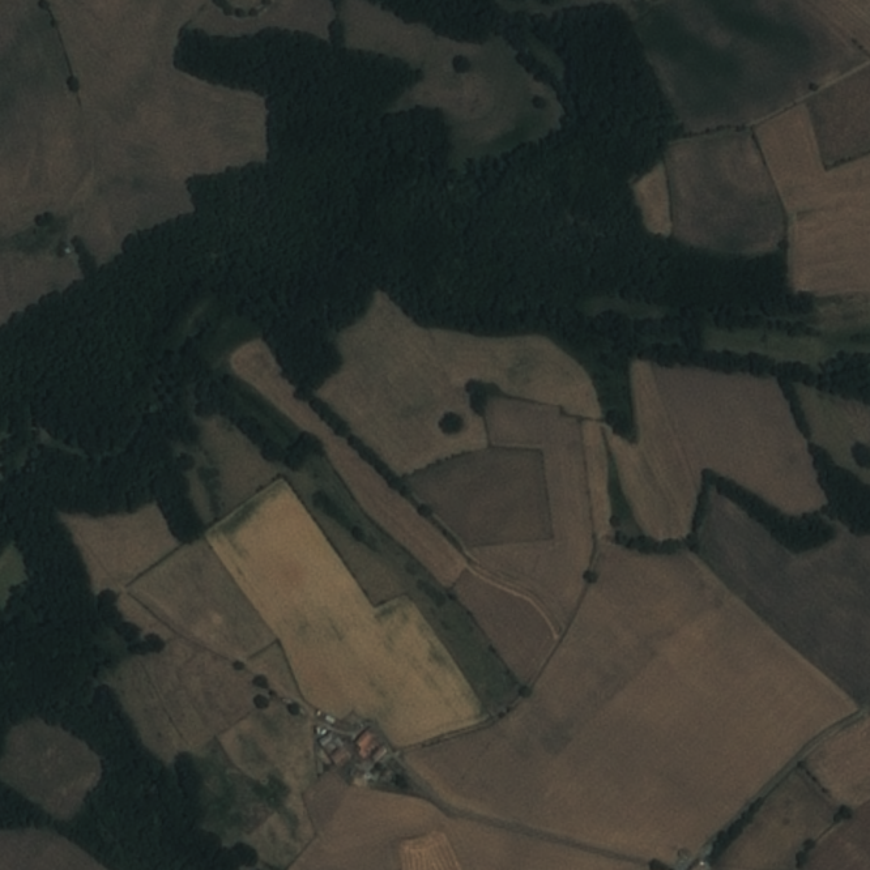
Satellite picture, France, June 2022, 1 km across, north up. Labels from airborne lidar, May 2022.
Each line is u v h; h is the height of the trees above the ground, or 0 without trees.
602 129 10
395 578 0
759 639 0
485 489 0
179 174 0
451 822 0
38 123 0
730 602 0
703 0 0
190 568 0
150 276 18
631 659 0
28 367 21
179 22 0
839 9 0
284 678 0
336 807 0
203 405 15
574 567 0
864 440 0
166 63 0
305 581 0
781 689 0
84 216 0
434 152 28
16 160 0
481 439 0
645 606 0
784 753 0
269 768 0
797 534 13
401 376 0
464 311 20
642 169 11
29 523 18
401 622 0
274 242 13
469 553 0
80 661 26
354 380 0
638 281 19
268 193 9
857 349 0
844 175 0
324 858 0
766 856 0
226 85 13
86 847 6
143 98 0
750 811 8
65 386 21
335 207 27
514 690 0
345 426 16
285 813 0
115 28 0
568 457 0
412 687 0
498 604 0
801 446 0
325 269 28
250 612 0
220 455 0
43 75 0
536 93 0
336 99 26
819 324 0
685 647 0
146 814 24
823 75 0
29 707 13
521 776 0
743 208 0
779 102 0
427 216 10
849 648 0
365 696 0
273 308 25
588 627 0
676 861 0
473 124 0
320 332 25
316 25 0
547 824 0
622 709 0
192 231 18
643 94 19
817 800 0
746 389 0
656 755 0
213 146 0
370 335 0
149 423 23
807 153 0
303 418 0
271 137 14
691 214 0
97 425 21
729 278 11
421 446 0
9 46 0
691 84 0
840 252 0
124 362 21
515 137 0
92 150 0
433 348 0
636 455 0
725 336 0
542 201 13
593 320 17
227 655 0
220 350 0
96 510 18
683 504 0
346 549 0
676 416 0
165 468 10
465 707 0
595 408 0
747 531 0
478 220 14
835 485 16
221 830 0
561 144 19
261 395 0
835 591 0
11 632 27
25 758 0
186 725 0
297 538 0
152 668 0
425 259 9
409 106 0
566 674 0
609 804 0
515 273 20
